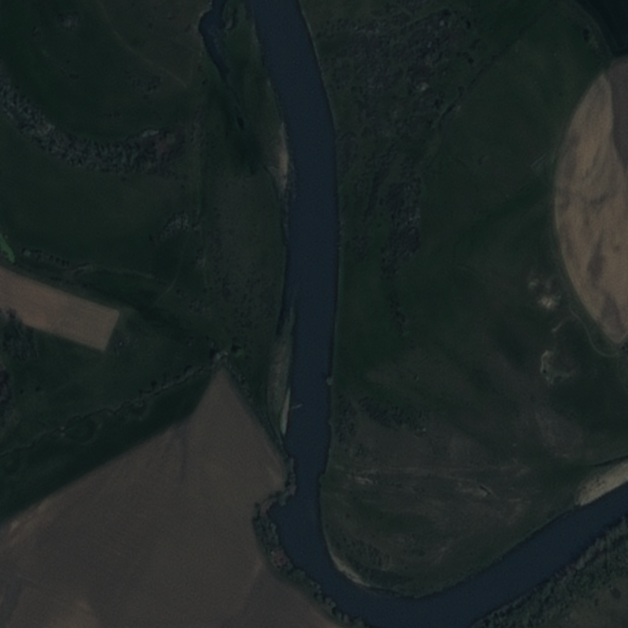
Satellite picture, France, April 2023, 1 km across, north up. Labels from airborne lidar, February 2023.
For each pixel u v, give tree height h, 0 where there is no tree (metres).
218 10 0
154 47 0
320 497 0
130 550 0
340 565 0
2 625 0
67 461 0
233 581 0
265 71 0
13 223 0
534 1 0
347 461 0
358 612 0
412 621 0
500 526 0
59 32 0
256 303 0
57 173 0
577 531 0
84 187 0
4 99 11
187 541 0
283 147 0
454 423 0
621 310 0
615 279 0
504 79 0
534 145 0
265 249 0
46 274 0
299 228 0
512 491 0
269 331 0
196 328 0
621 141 0
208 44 0
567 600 15
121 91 0
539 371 0
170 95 0
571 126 0
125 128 0
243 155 0
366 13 0
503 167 0
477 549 0
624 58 0
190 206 0
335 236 0
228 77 0
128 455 0
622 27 0
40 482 0
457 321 0
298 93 0
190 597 0
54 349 0
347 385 0
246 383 9
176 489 0
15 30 0
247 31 0
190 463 0
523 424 0
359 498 0
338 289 0
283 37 0
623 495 0
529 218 0
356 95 0
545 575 0
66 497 0
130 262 0
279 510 0
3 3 0
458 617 0
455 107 0
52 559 0
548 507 0
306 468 0
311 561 0
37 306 0
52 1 0
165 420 0
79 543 0
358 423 0
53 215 0
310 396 0
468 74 0
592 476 0
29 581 0
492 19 0
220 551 0
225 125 0
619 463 0
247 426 0
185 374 7
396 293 0
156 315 0
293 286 0
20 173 0
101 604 0
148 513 0
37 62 0
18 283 0
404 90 0
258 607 0
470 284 0
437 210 0
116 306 0
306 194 0
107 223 0
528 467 0
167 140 12
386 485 0
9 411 16
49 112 0
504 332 0
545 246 0
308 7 0
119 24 0
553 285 0
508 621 16
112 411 0
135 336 0
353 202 0
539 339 0
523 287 0
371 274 0
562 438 0
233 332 0
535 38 0
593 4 0
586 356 0
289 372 0
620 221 0
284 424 0
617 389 0
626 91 0
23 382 0
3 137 0
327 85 0
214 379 0
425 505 0
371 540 0
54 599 0
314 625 0
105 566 0
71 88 0
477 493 0
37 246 0
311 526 0
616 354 0
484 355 0
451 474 0
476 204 0
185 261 0
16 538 0
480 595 0
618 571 15
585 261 0
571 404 0
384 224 0
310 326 0
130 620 0
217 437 0
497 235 0
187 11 0
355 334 0
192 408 0
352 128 0
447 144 0
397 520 0
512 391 0
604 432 0
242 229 0
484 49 0
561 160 0
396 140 0
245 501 0
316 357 0
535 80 0
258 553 0
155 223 0
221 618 0
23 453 0
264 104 0
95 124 0
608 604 0
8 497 0
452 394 0
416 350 0
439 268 0
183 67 0
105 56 0
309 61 0
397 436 0
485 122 0
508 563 0
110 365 0
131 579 0
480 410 0
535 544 0
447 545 0
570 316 0
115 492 0
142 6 0
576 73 0
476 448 0
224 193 0
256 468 0
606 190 0
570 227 0
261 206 0
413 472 0
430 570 0
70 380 0
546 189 0
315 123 0
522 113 0
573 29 0
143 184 0
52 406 0
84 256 0
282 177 0
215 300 0
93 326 0
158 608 0
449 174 0
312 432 0
